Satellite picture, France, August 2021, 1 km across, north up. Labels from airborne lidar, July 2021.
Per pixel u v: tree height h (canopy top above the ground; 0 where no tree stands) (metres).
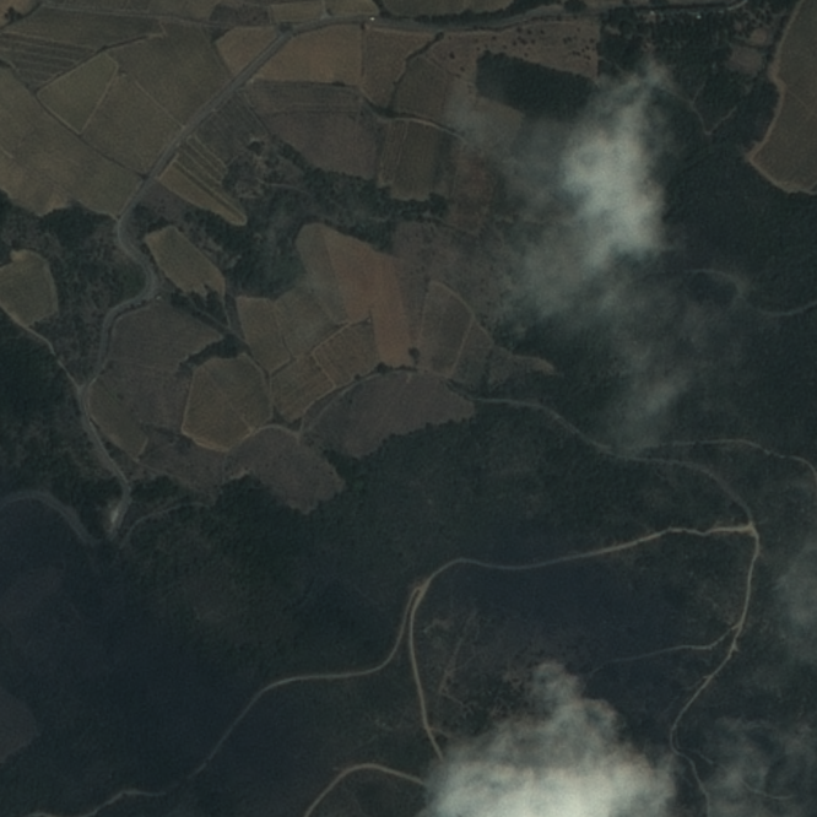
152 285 0
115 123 0
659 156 7
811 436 5
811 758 9
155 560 7
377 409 0
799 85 0
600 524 7
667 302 7
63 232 6
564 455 9
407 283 0
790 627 8
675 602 7
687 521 6
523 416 6
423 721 0
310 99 0
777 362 7
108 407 0
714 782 8
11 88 0
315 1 0
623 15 9
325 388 0
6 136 0
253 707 0
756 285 11
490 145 0
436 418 0
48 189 0
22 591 0
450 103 0
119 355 0
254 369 0
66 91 0
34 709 6
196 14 0
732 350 6
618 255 7
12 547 7
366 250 0
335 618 10
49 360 7
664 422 6
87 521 11
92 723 6
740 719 7
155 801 7
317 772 0
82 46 0
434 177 0
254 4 0
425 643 0
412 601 0
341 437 0
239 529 7
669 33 10
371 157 0
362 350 0
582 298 9
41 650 0
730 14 6
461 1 0
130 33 0
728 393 6
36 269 0
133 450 0
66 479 9
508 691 5
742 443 0
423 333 0
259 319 0
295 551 8
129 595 6
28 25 0
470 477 7
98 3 0
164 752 8
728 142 9
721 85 7
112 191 0
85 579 10
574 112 7
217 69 0
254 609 6
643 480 6
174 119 0
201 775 6
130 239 0
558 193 6
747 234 5
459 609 0
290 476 0
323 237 0
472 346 0
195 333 0
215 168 0
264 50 0
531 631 0
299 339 0
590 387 7
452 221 0
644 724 7
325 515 7
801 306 5
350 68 0
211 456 0
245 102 0
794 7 9
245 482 11
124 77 0
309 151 0
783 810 7
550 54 0
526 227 8
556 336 7
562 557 0
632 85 8
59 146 0
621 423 6
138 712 10
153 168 0
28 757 6
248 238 7
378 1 6
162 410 0
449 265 0
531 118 7
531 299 10
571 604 0
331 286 0
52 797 6
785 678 6
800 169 0
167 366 0
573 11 11
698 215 6
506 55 6
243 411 0
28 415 11
